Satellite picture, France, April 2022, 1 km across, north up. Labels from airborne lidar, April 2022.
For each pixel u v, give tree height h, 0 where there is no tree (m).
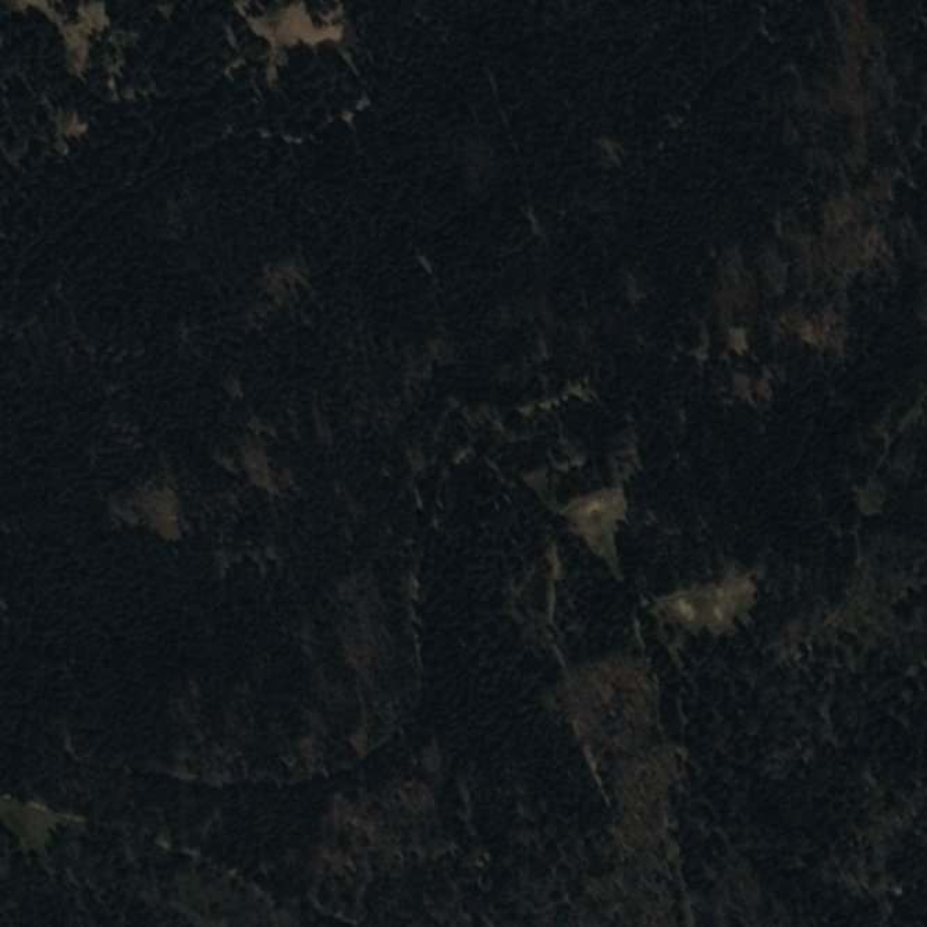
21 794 24
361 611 20
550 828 21
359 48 13
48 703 19
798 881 26
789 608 24
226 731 20
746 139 22
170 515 0
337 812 17
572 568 10
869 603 25
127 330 26
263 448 20
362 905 11
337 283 28
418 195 22
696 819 21
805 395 28
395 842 29
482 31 26
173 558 15
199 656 21
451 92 21
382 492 25
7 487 24
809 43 21
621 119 20
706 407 26
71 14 14
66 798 24
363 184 25
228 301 18
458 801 21
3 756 22
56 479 29
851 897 27
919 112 19
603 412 11
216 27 29
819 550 30
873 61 13
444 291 16
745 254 11
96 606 25
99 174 29
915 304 25
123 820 24
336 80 23
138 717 19
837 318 23
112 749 22
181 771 18
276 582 24
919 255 24
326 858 21
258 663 17
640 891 31
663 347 26
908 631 26
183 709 19
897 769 34
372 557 27
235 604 22
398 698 21
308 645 21
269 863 20
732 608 0
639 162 25
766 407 25
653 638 17
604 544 0
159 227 22
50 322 18
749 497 29
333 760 17
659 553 23
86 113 24
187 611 21
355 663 21
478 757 27
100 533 18
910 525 22
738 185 26
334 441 19
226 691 20
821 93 20
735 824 31
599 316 25
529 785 20
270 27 0
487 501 9
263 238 16
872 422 26
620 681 9
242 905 24
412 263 21
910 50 18
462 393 26
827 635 19
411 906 29
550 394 8
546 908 32
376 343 20
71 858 26
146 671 24
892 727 32
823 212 24
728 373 22
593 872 21
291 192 28
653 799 31
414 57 26
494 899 34
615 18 25
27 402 20
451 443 18
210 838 16
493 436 19
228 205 23
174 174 18
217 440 24
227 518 21
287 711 24
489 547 35
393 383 25
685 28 16
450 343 22
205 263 18
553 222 15
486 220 23
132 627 27
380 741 22
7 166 18
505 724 28
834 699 23
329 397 25
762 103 24
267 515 26
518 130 22
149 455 25
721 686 29
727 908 28
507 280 27
